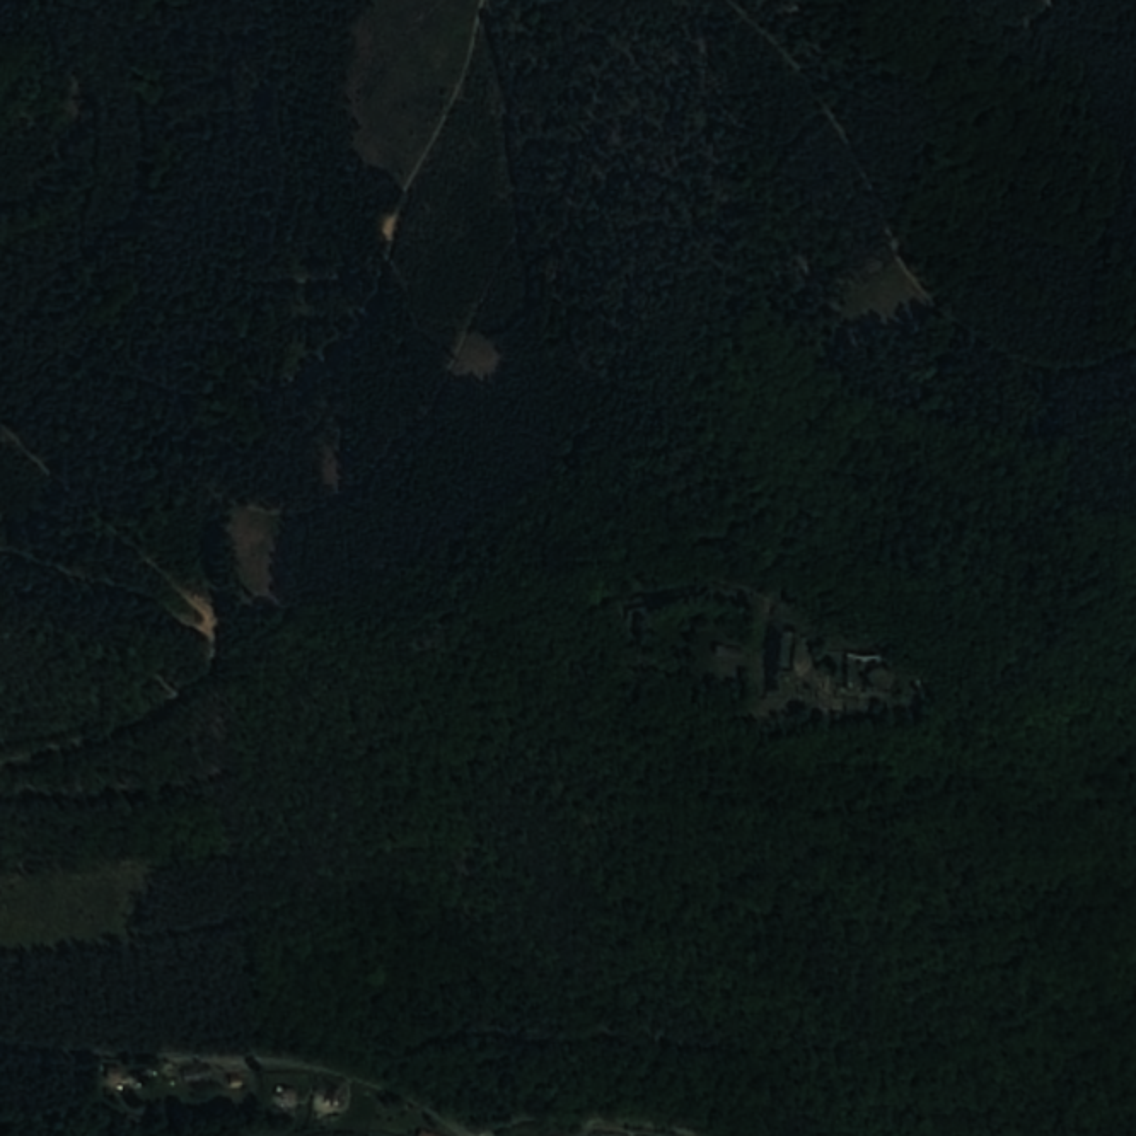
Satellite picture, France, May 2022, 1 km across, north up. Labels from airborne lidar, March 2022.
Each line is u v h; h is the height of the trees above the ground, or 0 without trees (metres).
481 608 15
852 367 28
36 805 25
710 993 22
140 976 21
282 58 24
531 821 14
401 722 21
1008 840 22
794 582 27
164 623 8
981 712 21
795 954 18
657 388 17
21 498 9
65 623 28
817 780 25
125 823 27
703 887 21
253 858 19
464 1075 24
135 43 27
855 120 20
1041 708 21
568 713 13
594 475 18
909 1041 19
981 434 23
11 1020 24
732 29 16
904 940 19
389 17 0
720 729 18
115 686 26
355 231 25
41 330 25
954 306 20
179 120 30
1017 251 19
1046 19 18
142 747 25
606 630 16
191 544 10
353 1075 24
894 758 20
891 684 16
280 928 17
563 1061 23
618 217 13
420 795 19
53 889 0
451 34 0
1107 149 18
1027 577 19
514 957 16
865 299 0
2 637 18
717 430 21
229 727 23
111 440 28
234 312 34
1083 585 24
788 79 18
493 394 12
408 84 0
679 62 28
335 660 13
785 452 24
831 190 26
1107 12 19
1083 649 24
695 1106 24
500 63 12
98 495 28
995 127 28
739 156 15
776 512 30
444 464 19
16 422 29
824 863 24
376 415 18
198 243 32
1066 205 24
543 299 16
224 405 31
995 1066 18
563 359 12
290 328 14
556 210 10
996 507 20
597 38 8
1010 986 15
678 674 10
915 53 22
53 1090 28
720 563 17
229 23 38
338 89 15
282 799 15
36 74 22
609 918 18
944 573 24
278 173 29
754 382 25
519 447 19
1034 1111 12
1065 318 19
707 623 14
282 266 29
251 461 23
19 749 19
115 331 31
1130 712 23
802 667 0
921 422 26
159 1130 20
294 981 16
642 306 17
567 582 20
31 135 9
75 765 25
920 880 23
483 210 6
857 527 28
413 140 0
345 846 17
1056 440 26
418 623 14
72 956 23
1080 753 26
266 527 0
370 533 18
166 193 33
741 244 18
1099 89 16
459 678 21
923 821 24
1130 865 20
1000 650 29
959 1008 16
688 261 21
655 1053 18
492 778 16
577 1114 24
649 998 17
